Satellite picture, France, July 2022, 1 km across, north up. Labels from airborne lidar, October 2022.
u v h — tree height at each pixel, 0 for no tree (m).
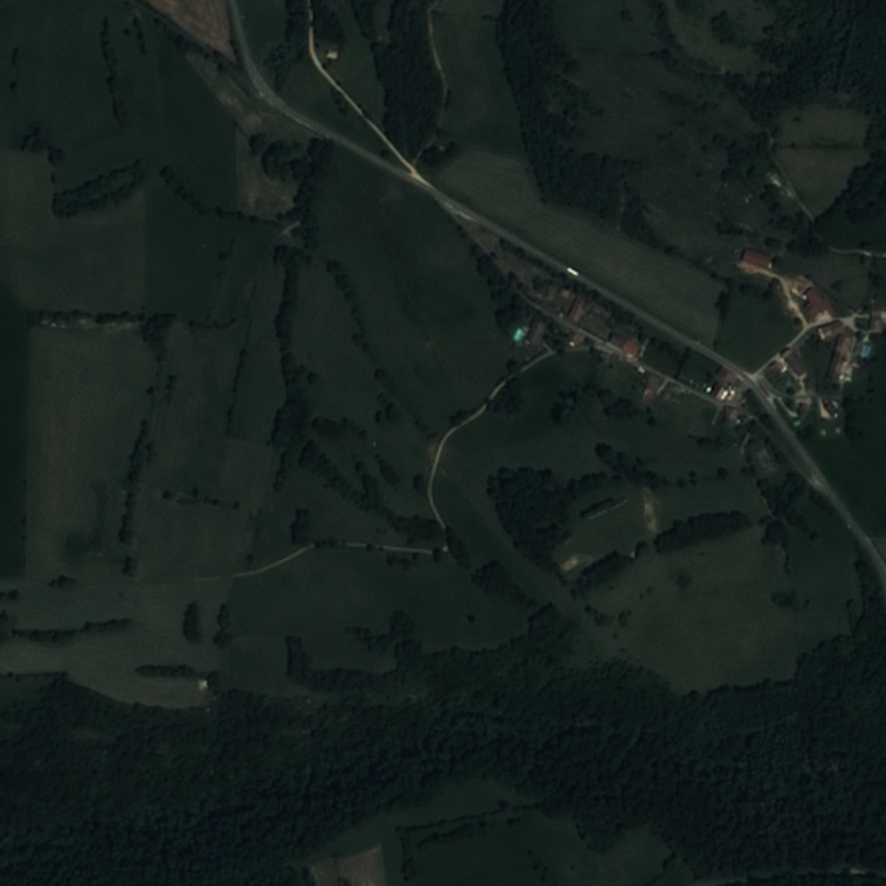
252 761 13
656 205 0
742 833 23
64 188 0
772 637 0
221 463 0
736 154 15
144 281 0
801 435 6
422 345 0
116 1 0
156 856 22
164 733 9
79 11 0
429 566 0
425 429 8
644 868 0
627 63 0
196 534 0
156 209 0
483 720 32
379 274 0
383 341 0
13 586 0
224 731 12
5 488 0
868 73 18
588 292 18
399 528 13
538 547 17
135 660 0
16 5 0
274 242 0
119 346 0
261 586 0
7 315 0
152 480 0
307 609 0
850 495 0
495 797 0
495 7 0
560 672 9
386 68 15
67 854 25
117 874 22
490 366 0
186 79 0
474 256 6
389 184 0
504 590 17
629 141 0
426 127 7
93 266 0
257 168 0
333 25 8
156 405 0
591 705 23
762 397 0
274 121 0
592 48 0
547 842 0
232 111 0
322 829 21
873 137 12
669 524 0
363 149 0
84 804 12
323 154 17
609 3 0
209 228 0
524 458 0
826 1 12
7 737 8
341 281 12
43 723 18
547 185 12
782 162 0
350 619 0
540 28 14
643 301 0
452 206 0
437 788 22
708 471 0
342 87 10
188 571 0
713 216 0
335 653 0
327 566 0
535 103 10
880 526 0
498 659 11
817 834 18
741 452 0
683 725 23
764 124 8
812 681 17
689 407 0
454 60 0
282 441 15
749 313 0
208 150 0
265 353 0
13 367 0
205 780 11
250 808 16
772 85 9
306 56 9
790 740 30
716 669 0
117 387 0
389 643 12
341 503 0
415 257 0
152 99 0
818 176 0
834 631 0
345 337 0
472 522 0
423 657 14
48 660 0
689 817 24
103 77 0
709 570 0
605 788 14
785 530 18
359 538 0
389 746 27
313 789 28
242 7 0
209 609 0
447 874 0
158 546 0
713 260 0
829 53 17
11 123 0
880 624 11
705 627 0
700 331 0
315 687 9
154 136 0
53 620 0
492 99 0
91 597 0
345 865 0
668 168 0
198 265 0
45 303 0
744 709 23
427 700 14
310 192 15
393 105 15
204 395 0
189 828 17
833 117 0
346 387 0
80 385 0
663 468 0
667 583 0
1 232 0
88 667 0
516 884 0
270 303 0
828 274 0
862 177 20
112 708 12
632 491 0
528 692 16
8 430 0
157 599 0
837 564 0
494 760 22
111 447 0
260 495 0
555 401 0
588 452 0
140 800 20
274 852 21
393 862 0
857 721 8
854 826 16
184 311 0
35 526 0
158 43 0
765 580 0
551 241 0
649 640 0
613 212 11
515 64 16
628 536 0
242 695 11
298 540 13
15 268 0
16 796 11
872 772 16
